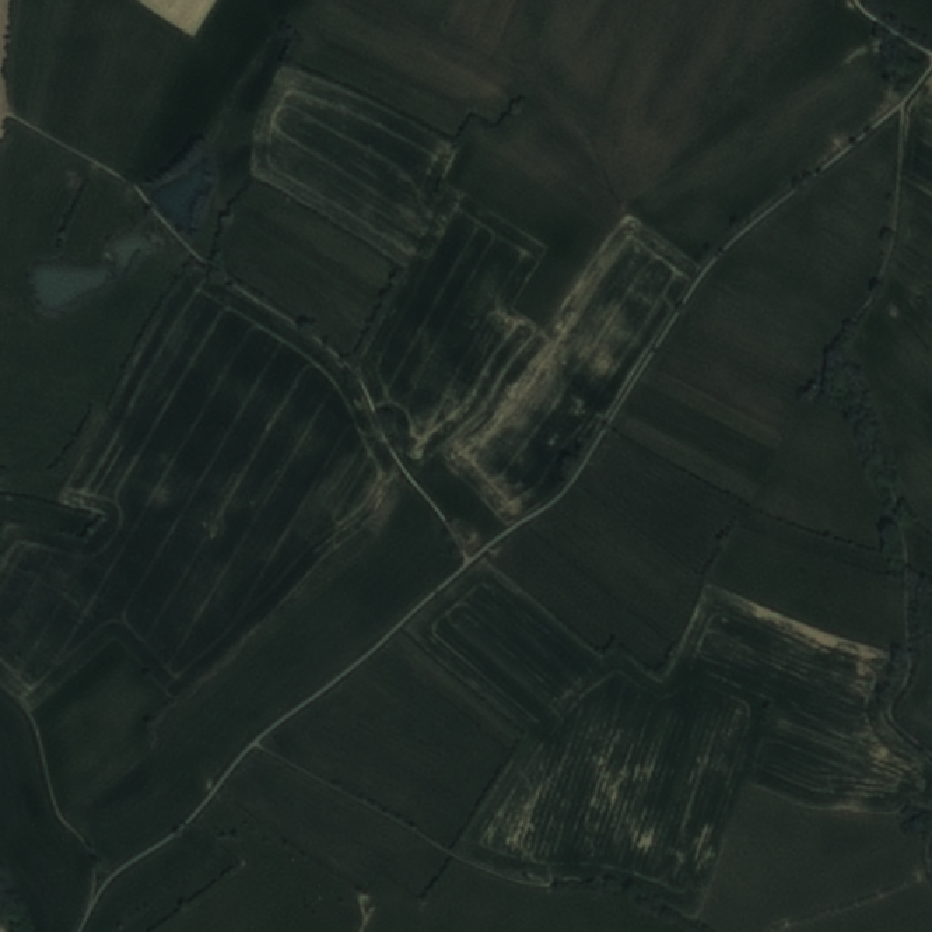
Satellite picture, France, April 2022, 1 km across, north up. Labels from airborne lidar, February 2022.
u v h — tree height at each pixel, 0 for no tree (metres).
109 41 0
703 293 0
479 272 0
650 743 0
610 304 0
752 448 0
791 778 0
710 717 0
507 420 0
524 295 0
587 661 0
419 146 0
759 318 0
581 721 0
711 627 0
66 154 0
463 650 0
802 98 0
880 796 0
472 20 0
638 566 0
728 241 0
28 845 0
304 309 0
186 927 0
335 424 0
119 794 0
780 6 0
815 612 0
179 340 0
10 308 0
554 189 0
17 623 0
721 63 0
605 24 0
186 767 0
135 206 0
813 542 0
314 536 0
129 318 0
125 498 0
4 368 0
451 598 0
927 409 0
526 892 0
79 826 0
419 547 0
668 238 0
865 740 0
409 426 0
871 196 0
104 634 0
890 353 0
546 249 0
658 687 0
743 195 0
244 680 0
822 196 0
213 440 0
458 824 0
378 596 0
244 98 0
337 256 0
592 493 0
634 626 0
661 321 0
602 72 0
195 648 0
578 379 0
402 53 0
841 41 0
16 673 0
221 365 0
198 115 0
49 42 0
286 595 0
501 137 0
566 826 0
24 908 23
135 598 0
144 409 0
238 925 0
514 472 0
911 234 0
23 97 0
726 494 6
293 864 0
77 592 0
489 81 0
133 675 0
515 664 0
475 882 0
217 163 14
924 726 0
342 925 0
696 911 0
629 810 0
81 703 0
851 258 0
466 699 0
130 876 0
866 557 0
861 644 0
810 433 0
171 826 0
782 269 0
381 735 0
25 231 0
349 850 0
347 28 0
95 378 0
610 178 0
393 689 0
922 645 12
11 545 0
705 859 0
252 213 0
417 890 0
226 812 0
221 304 0
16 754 0
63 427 0
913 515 13
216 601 0
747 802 0
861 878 0
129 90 0
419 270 0
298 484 0
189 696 0
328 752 0
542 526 0
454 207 0
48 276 0
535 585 0
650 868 0
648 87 0
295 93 0
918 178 0
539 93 0
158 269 0
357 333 0
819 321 0
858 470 0
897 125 0
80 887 0
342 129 0
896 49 16
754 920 0
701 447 0
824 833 0
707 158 0
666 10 0
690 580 0
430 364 0
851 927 0
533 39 0
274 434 0
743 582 0
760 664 0
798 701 0
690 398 0
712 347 0
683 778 0
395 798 0
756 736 0
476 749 0
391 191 0
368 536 0
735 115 0
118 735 0
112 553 0
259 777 0
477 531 0
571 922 0
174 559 0
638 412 0
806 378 0
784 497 0
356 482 0
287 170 0
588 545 0
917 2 0
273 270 0
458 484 0
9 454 0
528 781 0
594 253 0
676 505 0
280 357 0
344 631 0
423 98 0
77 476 0
